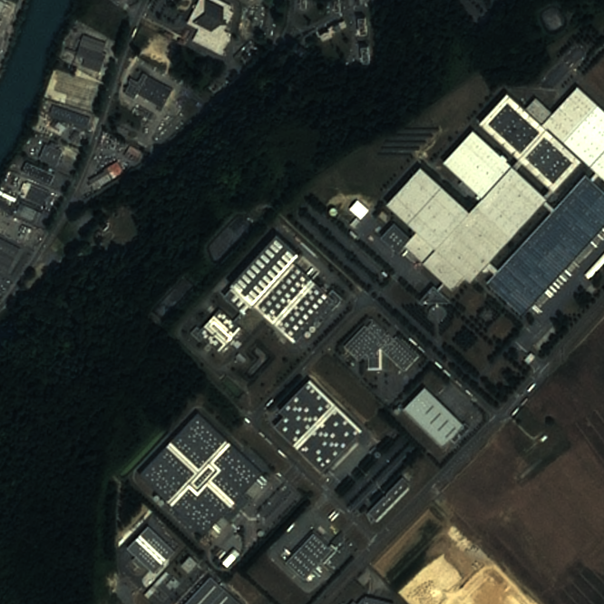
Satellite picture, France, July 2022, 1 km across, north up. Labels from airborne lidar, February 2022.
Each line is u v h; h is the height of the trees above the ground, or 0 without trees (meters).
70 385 21
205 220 11
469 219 0
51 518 16
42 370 16
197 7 0
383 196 0
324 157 18
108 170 0
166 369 19
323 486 0
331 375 0
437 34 22
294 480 0
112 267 19
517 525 0
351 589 0
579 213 0
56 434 20
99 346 28
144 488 0
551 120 0
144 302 14
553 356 0
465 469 0
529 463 0
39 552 14
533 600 0
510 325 0
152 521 0
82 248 15
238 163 18
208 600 0
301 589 0
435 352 8
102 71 0
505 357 7
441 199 0
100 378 22
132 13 0
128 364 23
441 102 0
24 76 0
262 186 17
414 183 0
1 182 9
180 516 0
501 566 0
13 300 13
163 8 8
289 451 0
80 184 0
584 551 0
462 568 0
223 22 0
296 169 16
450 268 0
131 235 0
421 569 0
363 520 0
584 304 12
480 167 0
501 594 0
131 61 0
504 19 17
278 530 8
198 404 0
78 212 20
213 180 9
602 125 0
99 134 0
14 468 13
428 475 0
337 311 0
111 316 18
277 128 7
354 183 0
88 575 16
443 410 0
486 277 0
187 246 17
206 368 0
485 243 0
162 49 0
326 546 0
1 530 15
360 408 0
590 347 0
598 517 0
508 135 0
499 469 0
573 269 0
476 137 0
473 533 0
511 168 0
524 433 0
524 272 0
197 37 0
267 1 18
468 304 0
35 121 18
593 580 0
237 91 23
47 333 23
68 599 21
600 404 0
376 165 0
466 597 0
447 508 0
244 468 0
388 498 0
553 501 0
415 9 23
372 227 0
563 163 0
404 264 0
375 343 0
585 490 0
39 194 0
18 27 9
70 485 20
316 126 19
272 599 6
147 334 15
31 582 12
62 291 22
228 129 26
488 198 0
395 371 0
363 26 0
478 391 9
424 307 8
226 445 0
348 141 16
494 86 15
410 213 0
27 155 13
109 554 14
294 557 0
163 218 19
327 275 0
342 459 0
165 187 18
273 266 0
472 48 15
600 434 0
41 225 0
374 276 7
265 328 0
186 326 0
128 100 0
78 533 22
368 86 18
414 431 0
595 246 0
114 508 14
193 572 0
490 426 0
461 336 9
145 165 17
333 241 8
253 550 7
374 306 0
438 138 0
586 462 0
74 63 0
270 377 0
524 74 15
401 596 0
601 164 0
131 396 9
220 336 0
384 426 0
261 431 0
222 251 0
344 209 0
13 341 22
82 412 19
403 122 14
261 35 24
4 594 11
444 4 20
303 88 23
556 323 8
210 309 0
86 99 0
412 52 24
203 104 0
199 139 12
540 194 0
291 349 0
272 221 11
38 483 21
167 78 0
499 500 0
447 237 0
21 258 0
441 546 0
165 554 0
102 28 0
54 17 0
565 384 0
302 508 7
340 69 23
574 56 0
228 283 0
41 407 22
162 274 17
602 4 12
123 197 8
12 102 0
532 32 25
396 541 0
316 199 7
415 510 0
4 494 20
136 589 0
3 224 0
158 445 0
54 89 0
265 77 17
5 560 17
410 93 19
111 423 13
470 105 0
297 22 0
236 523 0
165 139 0
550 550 0
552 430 0
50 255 0
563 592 0
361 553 0
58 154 0
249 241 7
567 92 0
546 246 0
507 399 7
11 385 14
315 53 11
